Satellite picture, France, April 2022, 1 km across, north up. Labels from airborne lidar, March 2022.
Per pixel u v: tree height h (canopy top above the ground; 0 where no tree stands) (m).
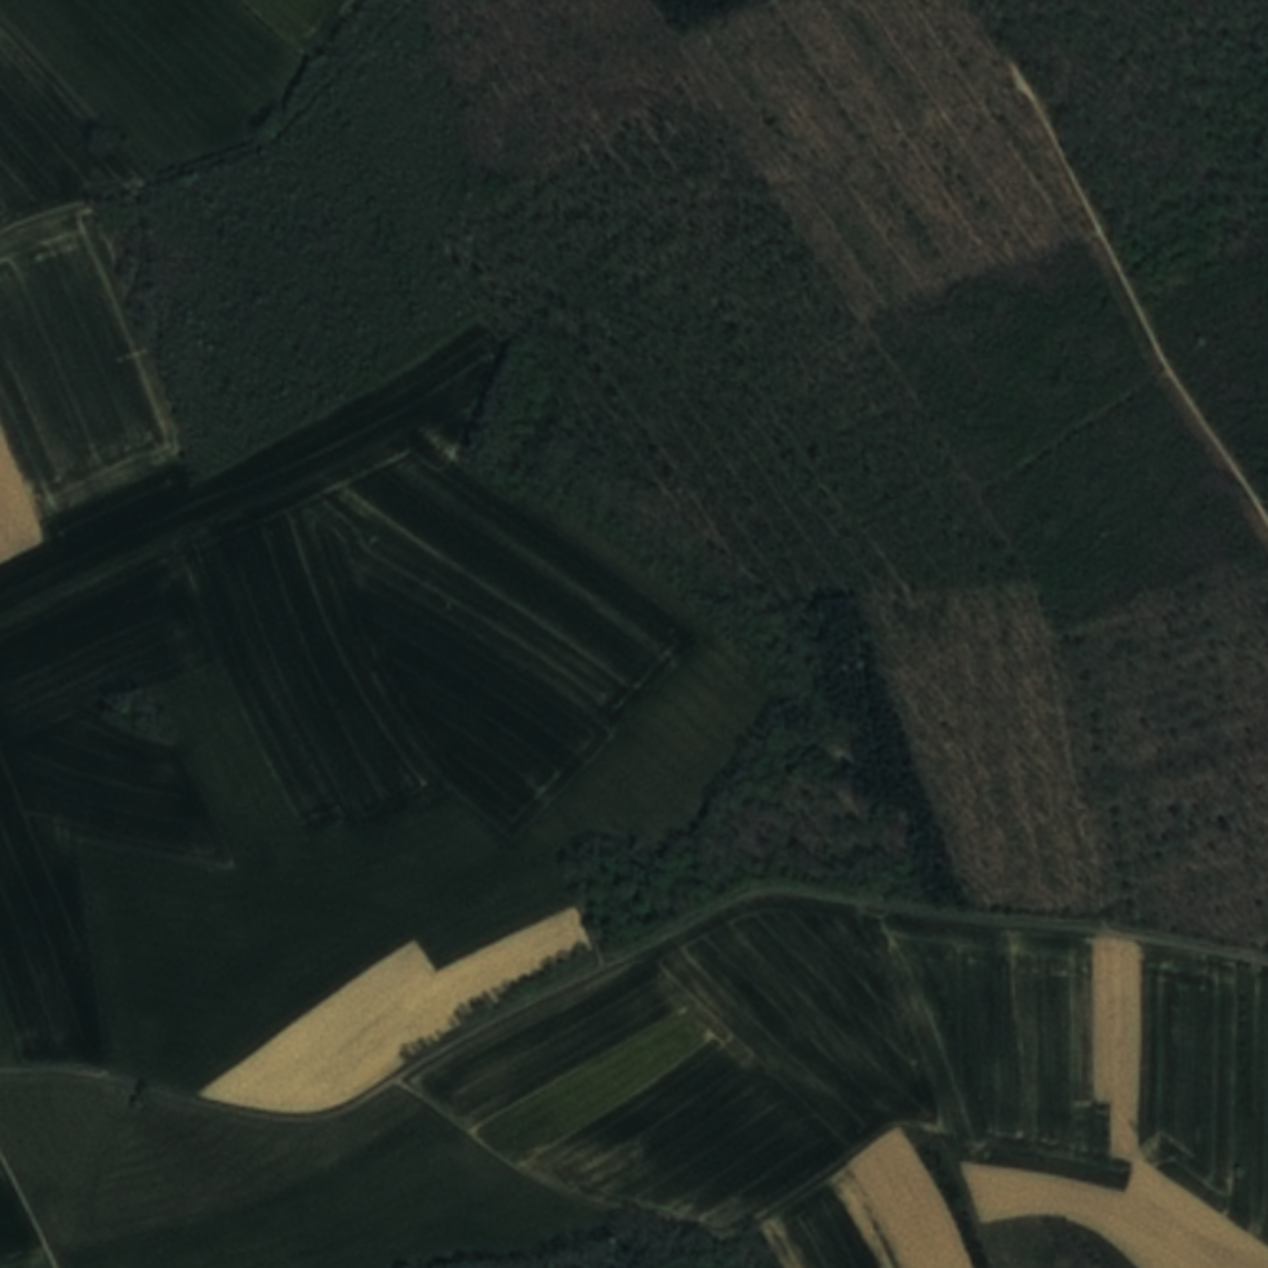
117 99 0
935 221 0
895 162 0
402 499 0
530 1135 0
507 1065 0
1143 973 0
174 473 0
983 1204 0
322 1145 0
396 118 14
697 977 0
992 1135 0
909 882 20
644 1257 24
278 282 15
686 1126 0
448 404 0
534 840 0
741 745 0
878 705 21
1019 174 0
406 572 0
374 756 0
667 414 16
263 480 0
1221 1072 0
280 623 0
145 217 11
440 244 14
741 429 15
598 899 24
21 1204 0
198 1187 0
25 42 0
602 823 0
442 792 0
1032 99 0
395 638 0
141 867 0
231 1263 0
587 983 0
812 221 0
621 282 15
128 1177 0
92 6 0
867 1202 0
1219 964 0
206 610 0
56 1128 0
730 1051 0
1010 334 12
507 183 17
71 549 0
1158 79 26
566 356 18
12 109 0
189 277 15
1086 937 0
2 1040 0
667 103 15
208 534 0
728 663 0
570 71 18
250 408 15
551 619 0
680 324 12
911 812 22
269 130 18
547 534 0
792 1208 0
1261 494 8
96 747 0
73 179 0
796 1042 0
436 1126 0
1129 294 0
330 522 0
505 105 18
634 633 0
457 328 13
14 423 0
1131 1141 0
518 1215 0
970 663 0
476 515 0
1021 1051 0
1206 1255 0
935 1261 0
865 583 15
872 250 0
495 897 0
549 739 0
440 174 14
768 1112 0
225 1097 0
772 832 20
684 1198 0
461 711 0
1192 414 0
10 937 0
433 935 0
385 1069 0
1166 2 25
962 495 16
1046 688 0
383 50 14
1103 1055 0
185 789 0
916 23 0
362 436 0
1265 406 14
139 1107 8
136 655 0
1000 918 10
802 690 24
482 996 0
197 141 0
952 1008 0
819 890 18
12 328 0
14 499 0
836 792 22
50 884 0
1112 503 13
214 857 0
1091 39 25
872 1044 0
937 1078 0
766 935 0
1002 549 15
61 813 0
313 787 0
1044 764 0
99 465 0
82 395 0
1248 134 23
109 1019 0
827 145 0
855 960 0
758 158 0
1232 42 24
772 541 17
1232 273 11
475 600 0
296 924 0
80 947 0
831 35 0
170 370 13
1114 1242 0
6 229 0
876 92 0
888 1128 0
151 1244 0
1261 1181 0
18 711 0
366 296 14
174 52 0
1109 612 12
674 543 20
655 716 0
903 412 14
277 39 0
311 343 15
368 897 0
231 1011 0
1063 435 11
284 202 16
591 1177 0
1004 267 18
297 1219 0
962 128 0
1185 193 22
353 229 14
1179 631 15
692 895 28
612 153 16
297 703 0
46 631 0
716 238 14
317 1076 0
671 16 20
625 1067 0
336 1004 0
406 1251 0
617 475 20
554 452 21
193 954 0
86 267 0
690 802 0
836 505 18
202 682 0
